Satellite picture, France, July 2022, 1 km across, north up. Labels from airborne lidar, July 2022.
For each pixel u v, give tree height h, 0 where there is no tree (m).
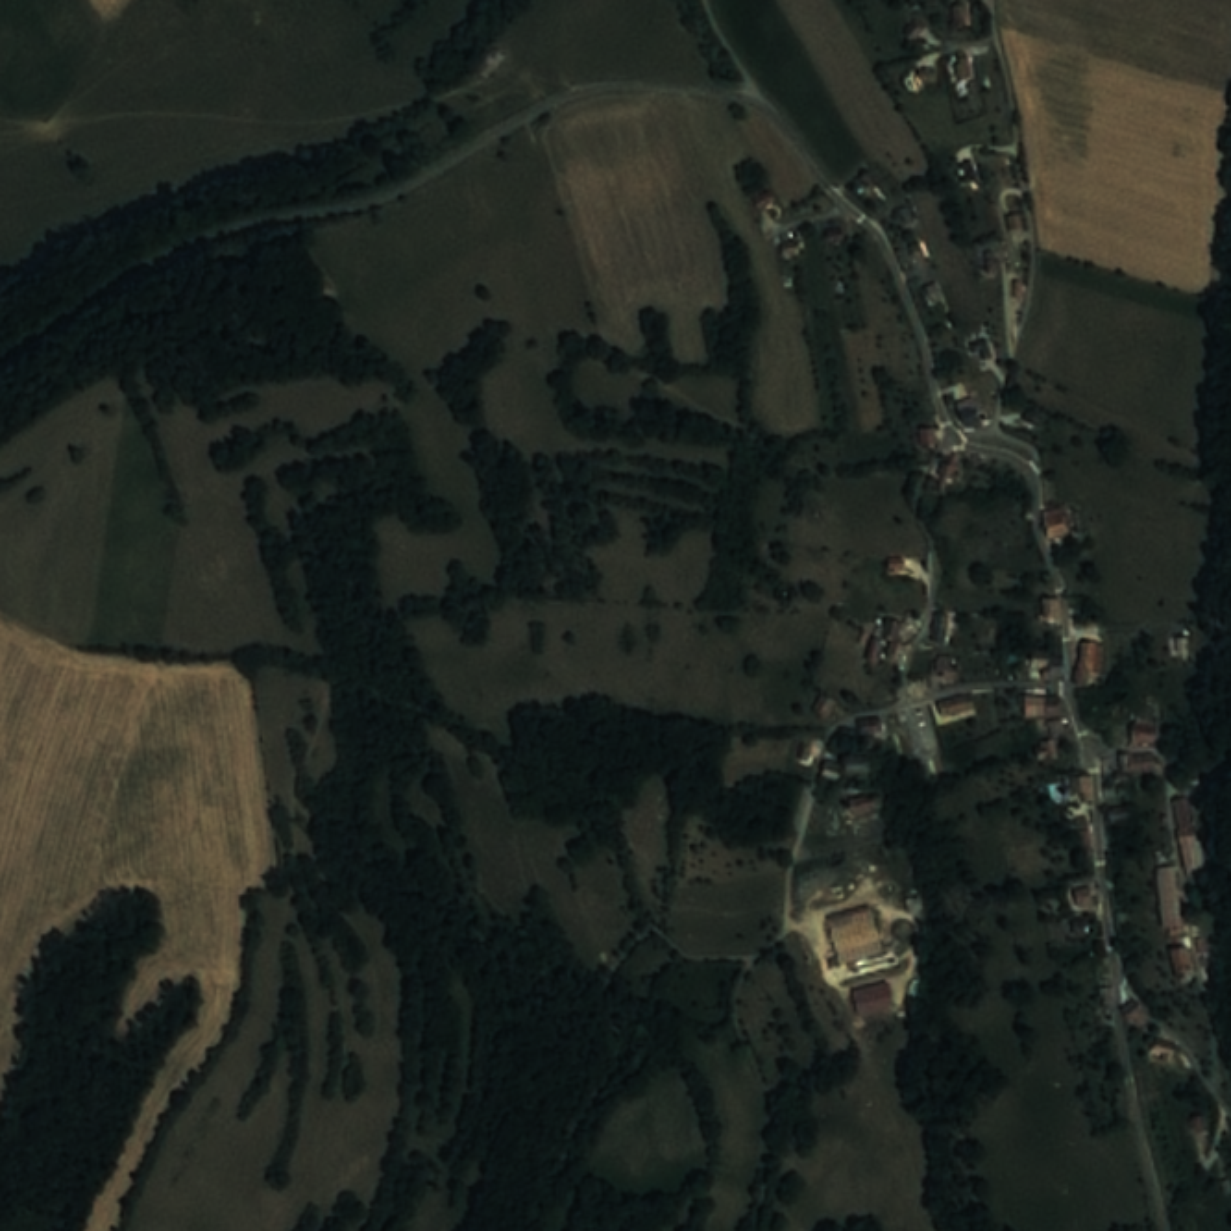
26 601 0
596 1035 20
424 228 0
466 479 0
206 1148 0
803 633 0
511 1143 21
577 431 10
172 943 0
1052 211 0
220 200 27
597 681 0
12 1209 17
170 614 0
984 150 6
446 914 15
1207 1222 0
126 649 11
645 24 0
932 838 14
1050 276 0
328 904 10
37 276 25
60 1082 14
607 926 0
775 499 0
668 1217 19
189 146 0
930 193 12
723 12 0
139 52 0
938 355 6
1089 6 0
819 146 0
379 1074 0
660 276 0
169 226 24
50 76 0
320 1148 0
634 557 0
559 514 18
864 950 0
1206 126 0
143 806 0
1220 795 23
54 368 29
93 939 18
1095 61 0
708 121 0
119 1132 13
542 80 0
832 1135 0
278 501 0
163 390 15
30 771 0
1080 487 0
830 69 0
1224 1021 14
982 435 0
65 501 0
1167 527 0
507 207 0
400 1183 15
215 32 0
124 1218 7
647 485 10
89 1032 11
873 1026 0
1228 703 14
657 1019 17
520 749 15
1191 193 0
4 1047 0
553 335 0
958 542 0
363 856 19
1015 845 0
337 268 0
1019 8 0
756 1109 0
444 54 11
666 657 0
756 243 0
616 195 0
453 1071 19
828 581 0
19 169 0
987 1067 16
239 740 0
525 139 0
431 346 0
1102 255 0
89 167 10
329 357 16
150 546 0
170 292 22
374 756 13
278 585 9
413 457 9
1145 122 0
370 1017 8
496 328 10
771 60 0
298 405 0
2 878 0
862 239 7
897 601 0
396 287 0
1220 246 16
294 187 18
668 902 10
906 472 13
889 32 0
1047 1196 0
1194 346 0
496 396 0
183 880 0
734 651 0
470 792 0
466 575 6
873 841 0
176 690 0
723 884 0
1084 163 0
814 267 0
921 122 0
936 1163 18
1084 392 0
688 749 20
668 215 0
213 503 0
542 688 0
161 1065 11
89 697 0
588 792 9
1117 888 9
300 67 0
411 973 17
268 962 0
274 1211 0
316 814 6
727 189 0
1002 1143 0
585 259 0
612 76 0
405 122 8
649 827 0
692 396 0
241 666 13
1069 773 6
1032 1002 17
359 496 17
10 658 0
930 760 0
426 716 15
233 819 0
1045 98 0
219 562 0
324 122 0
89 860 0
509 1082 21
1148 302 0
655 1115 0
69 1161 16
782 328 0
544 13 0
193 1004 14
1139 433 0
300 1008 18
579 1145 19
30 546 0
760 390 0
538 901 12
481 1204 20
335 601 19
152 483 0
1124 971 6
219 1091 0
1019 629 10
